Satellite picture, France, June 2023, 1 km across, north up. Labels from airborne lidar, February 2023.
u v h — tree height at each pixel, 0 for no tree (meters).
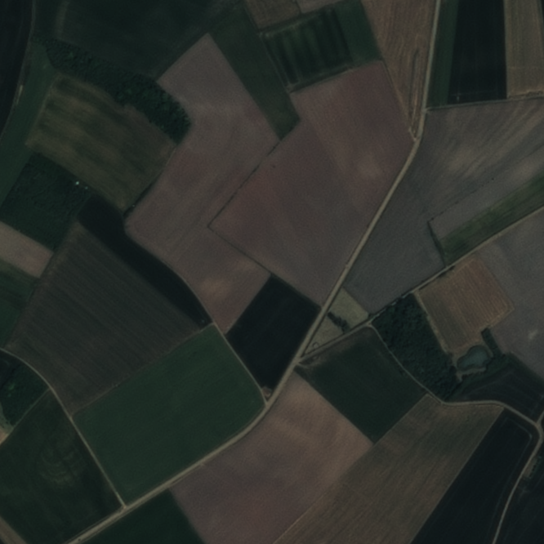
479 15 0
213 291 0
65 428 0
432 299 0
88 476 0
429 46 0
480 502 0
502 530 0
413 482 0
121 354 0
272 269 0
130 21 0
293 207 0
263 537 0
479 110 0
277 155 0
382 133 0
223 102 0
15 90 0
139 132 0
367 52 0
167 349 0
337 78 0
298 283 0
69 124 0
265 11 0
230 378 0
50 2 0
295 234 0
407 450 0
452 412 0
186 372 0
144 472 0
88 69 9
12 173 0
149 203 0
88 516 0
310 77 0
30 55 0
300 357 0
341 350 0
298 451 0
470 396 0
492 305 0
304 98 0
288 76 0
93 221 0
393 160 0
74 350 0
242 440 0
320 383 0
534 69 0
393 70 0
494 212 0
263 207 0
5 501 0
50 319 0
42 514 0
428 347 6
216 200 0
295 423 0
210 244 0
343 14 0
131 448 0
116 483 0
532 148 0
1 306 0
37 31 0
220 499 0
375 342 0
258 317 0
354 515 0
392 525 0
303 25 0
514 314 0
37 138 0
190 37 0
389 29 0
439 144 0
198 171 0
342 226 0
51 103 0
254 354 0
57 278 0
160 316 0
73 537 0
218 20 0
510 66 0
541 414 0
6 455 0
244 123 0
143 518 0
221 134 0
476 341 0
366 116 0
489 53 0
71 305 0
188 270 0
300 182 0
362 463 0
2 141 0
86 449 0
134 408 0
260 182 0
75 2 0
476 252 0
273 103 0
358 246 0
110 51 0
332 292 0
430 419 0
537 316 0
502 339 0
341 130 0
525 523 0
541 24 0
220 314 0
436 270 0
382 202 0
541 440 0
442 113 0
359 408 0
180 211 0
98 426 0
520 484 0
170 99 15
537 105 0
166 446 0
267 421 0
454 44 0
